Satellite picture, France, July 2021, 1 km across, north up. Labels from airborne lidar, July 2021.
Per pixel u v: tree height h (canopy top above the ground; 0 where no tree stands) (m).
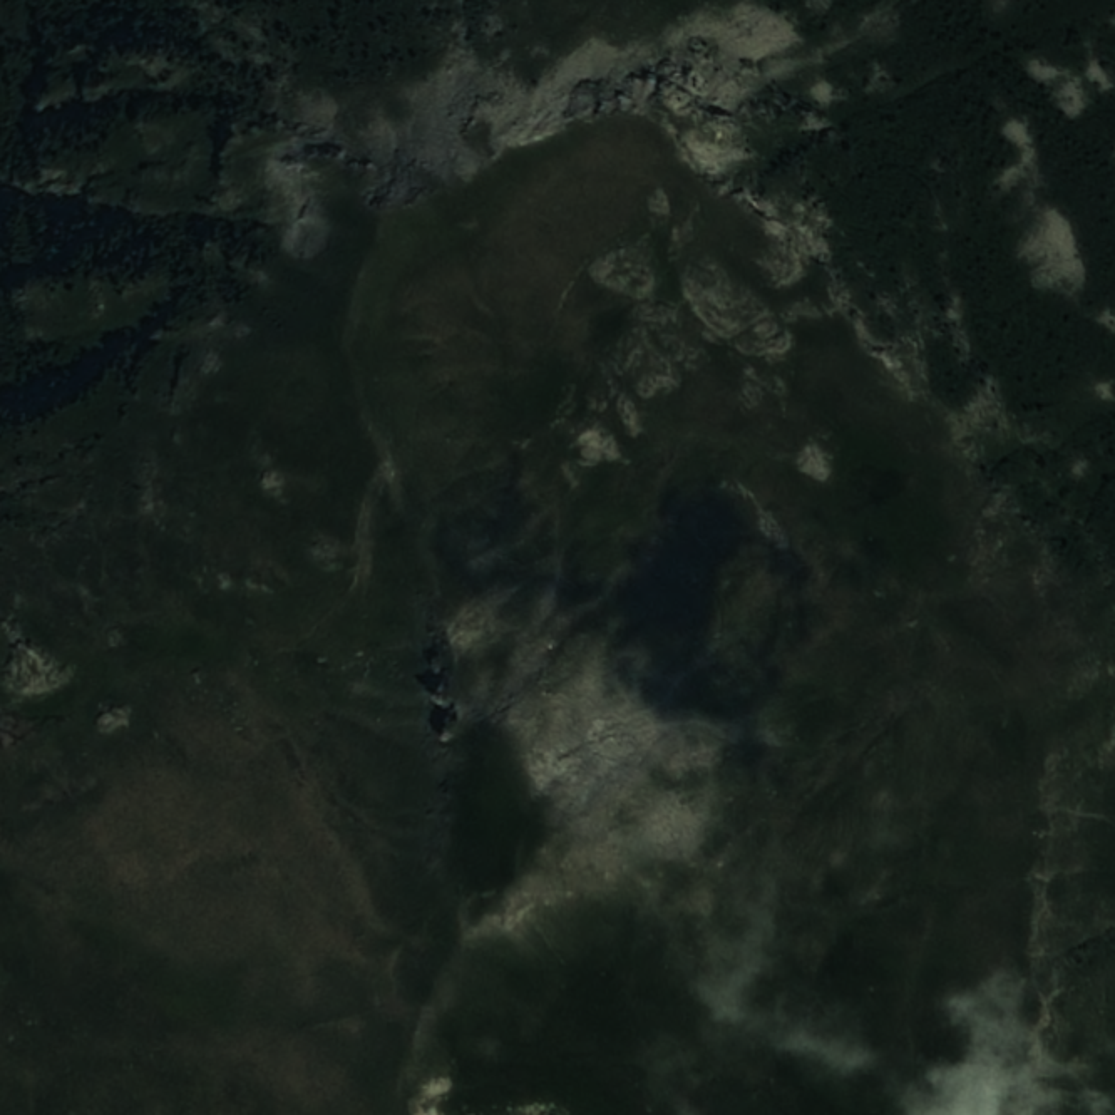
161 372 0
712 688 0
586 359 0
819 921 0
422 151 0
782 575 0
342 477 0
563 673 0
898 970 0
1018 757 0
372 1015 0
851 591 0
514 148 0
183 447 0
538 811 0
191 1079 0
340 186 0
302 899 0
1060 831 0
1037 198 0
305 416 0
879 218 7
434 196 0
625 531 0
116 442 0
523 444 0
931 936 0
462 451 0
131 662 0
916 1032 0
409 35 0
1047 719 0
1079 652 0
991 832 0
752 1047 0
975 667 0
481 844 0
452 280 0
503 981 0
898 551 0
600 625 0
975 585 0
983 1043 0
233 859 0
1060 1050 0
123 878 0
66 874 0
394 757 0
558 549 0
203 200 6
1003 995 0
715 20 0
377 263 0
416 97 0
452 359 0
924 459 0
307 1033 0
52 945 0
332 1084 0
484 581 0
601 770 0
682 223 0
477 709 0
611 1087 0
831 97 0
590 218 0
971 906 0
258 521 0
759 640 0
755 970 0
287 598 0
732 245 0
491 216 0
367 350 0
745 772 0
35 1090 0
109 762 0
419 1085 0
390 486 0
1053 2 0
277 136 0
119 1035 0
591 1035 0
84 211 7
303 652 0
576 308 0
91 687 0
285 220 0
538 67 0
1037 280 0
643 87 0
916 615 0
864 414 0
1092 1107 0
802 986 0
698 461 0
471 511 0
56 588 0
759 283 0
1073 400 0
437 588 0
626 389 0
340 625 0
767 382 0
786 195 0
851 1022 0
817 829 0
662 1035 0
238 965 0
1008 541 0
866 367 0
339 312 0
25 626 0
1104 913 0
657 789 0
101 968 0
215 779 0
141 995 0
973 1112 0
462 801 0
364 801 0
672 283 0
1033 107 10
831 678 0
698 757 0
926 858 0
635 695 0
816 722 0
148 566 0
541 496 0
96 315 0
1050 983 0
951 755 0
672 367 0
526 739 0
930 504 0
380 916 0
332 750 0
